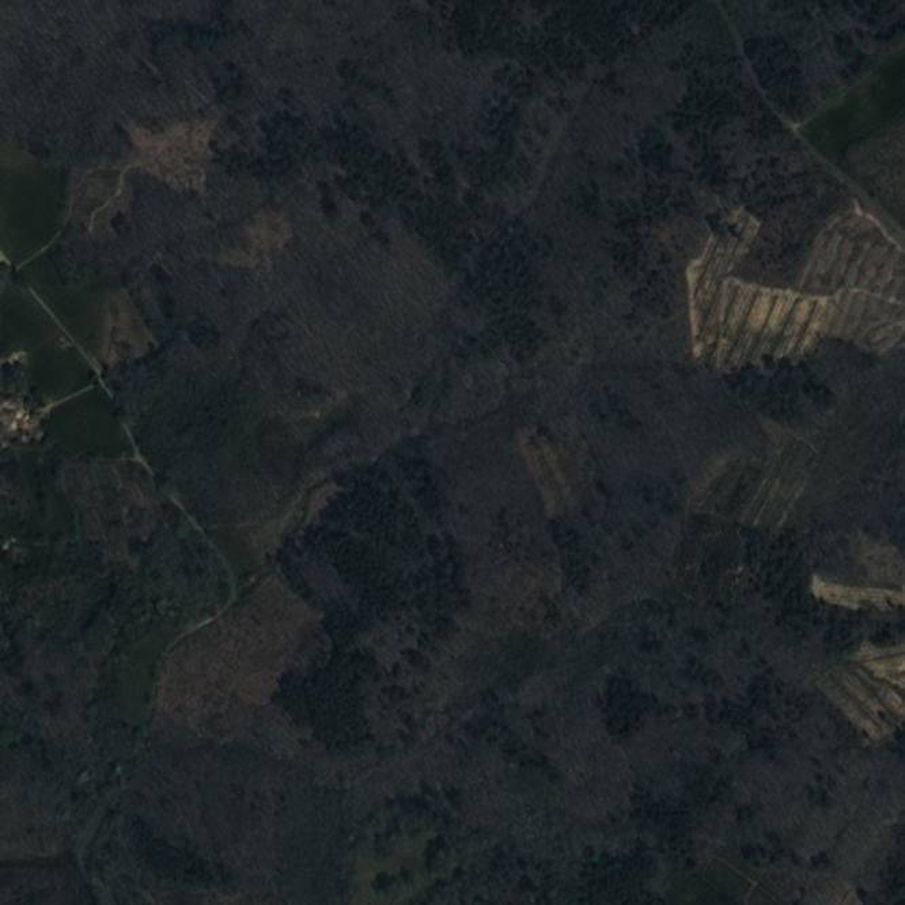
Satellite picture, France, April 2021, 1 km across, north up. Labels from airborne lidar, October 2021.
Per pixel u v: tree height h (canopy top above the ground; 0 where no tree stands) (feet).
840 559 61
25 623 47
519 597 20
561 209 50
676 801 51
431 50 42
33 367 0
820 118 0
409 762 58
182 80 61
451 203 76
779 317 0
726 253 0
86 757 50
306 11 20
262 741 35
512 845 63
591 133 41
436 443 46
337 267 66
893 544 66
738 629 61
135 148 59
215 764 42
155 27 64
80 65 71
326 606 63
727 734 44
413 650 31
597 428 70
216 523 42
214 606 88
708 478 54
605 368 55
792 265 23
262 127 34
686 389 54
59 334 0
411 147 42
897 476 53
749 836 49
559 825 64
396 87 78
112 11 71
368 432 59
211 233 22
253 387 52
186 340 70
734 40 28
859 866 49
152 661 0
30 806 62
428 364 63
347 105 37
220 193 38
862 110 0
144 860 46
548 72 47
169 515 60
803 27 22
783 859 60
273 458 26
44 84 75
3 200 0
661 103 44
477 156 77
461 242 87
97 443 0
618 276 31
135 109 58
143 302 62
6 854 22
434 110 62
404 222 60
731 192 25
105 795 61
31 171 0
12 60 61
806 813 55
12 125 61
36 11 55
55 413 0
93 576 44
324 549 79
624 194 45
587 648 57
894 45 69
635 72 41
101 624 78
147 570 66
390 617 54
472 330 72
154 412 32
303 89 34
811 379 72
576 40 49
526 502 36
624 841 39
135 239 42
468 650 37
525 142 62
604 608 71
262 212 25
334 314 67
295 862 40
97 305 0
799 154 27
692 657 55
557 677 66
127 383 73
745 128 19
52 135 77
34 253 0
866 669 0
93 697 38
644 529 70
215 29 73
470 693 34
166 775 37
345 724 75
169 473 74
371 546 52
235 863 44
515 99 79
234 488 39
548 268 81
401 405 63
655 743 35
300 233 51
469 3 54
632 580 75
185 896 17
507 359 72
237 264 0
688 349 45
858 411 23
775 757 61
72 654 56
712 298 0
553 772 88
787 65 79
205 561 89
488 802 73
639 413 73
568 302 67
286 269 67
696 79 27
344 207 51
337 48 39
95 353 0
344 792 46
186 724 30
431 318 50
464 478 23
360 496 70
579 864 74
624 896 88
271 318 26
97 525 48
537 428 51
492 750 82
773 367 0
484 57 46
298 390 66
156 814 46
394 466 34
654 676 37
